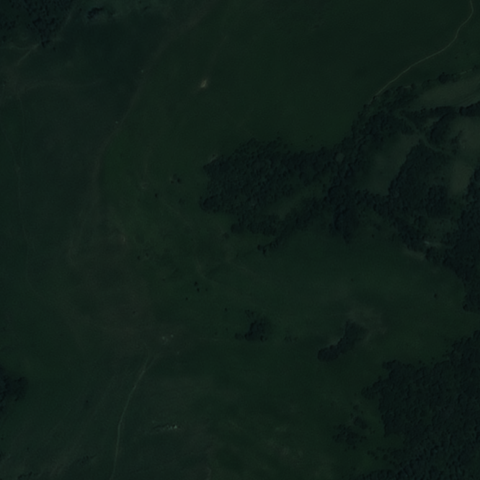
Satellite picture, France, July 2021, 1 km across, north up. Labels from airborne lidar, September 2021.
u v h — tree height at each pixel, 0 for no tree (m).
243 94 0
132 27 0
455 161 0
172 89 0
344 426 9
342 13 0
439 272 0
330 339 0
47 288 0
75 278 0
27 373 0
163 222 0
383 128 13
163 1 0
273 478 0
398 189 18
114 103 0
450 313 0
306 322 0
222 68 0
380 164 0
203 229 0
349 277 0
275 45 0
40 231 0
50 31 12
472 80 0
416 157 17
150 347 0
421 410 8
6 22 13
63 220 0
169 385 0
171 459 0
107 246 0
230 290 0
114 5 0
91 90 0
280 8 0
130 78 0
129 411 0
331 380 0
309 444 0
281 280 0
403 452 12
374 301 0
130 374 0
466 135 0
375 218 0
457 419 15
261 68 0
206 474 0
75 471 0
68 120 0
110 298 0
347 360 0
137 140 0
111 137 0
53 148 0
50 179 0
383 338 0
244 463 0
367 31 0
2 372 20
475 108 26
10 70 0
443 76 12
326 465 0
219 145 0
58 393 0
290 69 0
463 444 16
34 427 0
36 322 0
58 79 0
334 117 0
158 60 0
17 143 0
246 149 9
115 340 0
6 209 0
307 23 0
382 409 12
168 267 0
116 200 0
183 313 0
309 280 0
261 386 0
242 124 0
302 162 20
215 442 0
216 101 0
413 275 0
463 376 6
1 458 9
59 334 0
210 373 0
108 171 0
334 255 0
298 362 0
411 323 0
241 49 0
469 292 12
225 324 0
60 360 0
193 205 0
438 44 0
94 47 0
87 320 0
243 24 0
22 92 0
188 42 0
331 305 0
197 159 0
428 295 0
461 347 22
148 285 0
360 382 0
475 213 16
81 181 0
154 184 0
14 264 0
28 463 0
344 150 16
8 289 0
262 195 11
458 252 14
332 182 7
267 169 11
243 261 0
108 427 0
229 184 12
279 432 0
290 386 0
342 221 22
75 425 0
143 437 0
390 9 0
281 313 0
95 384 0
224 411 0
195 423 0
